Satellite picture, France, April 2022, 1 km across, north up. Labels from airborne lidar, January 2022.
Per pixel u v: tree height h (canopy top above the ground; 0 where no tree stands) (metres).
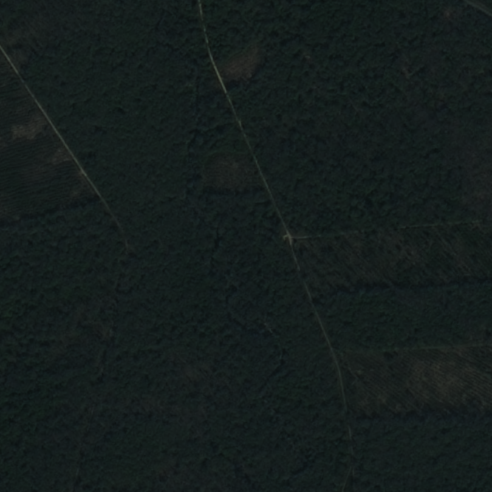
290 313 24
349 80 27
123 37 25
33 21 27
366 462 22
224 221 22
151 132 25
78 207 24
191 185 20
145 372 26
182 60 23
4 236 26
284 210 24
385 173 27
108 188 24
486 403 0
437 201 22
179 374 25
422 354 0
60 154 0
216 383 23
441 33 24
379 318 23
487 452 21
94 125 23
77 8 21
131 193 24
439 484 24
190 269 25
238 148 16
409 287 22
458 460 24
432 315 24
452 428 19
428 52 26
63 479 22
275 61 24
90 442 29
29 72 22
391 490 27
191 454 26
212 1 16
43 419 23
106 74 25
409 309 24
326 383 24
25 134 0
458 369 0
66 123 23
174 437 25
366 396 0
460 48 24
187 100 21
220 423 23
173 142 23
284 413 24
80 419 24
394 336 25
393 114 25
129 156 24
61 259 24
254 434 26
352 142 27
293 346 21
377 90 27
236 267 25
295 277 25
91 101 21
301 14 22
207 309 24
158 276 22
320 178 27
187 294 25
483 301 21
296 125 22
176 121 26
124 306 24
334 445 26
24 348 26
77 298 26
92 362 23
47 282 25
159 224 22
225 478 26
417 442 23
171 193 22
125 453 27
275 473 25
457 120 27
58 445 25
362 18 25
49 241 24
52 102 25
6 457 21
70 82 27
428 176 24
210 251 23
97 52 24
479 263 27
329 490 28
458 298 24
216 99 25
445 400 0
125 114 22
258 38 22
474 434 19
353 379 22
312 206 27
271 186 20
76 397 28
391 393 0
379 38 25
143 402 25
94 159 23
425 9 19
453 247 24
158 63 24
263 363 28
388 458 23
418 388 0
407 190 25
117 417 22
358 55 25
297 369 24
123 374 24
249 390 24
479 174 26
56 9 25
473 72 26
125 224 21
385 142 24
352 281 24
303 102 18
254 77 12
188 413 24
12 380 25
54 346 24
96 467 26
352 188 25
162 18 20
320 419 25
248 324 24
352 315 23
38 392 20
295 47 25
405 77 27
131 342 26
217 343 23
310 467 28
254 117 20
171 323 24
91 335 23
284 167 26
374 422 19
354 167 26
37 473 25
